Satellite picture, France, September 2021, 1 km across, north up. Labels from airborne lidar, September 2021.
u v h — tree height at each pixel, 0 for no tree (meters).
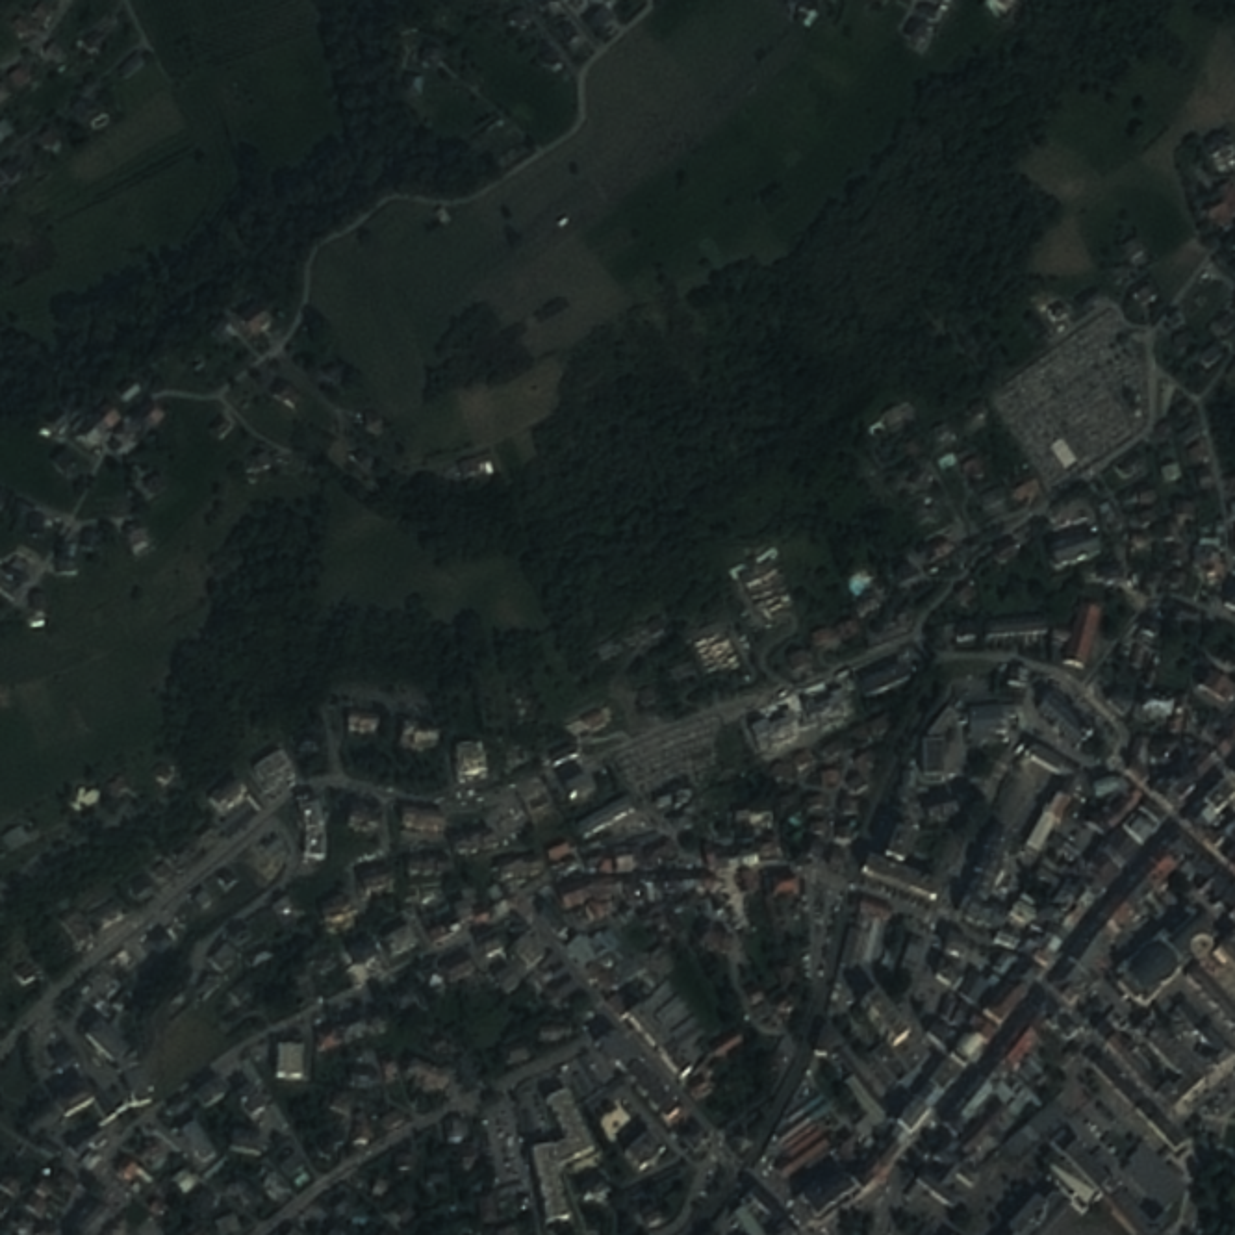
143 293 27
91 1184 15
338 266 0
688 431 14
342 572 0
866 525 10
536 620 0
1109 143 0
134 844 15
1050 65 17
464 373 7
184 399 0
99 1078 0
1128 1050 0
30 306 0
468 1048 7
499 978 0
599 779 8
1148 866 0
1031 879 14
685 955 8
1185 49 15
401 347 0
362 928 9
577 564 8
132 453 7
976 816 30
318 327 17
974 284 16
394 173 7
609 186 0
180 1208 11
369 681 15
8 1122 0
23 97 0
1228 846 0
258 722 13
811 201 0
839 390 20
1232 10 24
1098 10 17
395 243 0
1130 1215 0
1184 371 10
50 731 0
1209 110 0
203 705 29
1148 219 0
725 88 0
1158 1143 0
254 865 0
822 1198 0
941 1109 0
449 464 0
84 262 0
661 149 0
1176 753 0
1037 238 18
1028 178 9
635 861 0
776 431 15
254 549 18
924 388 19
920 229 12
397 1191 9
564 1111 0
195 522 0
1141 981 0
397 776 15
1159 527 9
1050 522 8
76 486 6
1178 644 12
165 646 0
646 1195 11
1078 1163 0
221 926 0
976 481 10
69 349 22
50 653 0
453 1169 7
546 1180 0
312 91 0
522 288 0
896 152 11
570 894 0
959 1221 17
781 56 0
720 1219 0
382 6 26
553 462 10
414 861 0
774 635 0
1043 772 0
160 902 0
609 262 0
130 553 0
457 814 0
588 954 0
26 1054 9
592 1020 0
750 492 14
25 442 0
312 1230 11
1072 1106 0
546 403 0
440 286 0
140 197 0
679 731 0
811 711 0
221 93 0
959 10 0
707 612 15
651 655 9
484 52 0
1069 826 0
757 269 12
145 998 8
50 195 0
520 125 0
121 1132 0
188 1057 0
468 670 16
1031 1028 0
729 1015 9
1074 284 0
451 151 15
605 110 0
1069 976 0
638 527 15
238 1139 0
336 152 20
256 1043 0
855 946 0
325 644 20
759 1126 9
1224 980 0
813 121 0
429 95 0
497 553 15
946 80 12
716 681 7
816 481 10
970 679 0
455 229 0
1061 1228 0
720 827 7
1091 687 0
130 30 9
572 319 0
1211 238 11
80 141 14
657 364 6
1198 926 0
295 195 32
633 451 13
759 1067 14
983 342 20
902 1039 0
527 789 0
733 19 0
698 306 8
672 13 0
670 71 0
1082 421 0
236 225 18
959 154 13
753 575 0
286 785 0
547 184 0
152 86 0
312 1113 9
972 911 0
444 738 13
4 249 6
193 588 0
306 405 0
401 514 7
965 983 0
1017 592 12
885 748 7
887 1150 0
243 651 25
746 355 14
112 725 0
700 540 7
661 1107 0
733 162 0
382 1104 6
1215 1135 6
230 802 0
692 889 0
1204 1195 16
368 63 26
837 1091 10
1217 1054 0
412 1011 15
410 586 0
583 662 11
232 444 0
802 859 11
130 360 23
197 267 19
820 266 11
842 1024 8
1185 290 0
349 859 0
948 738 9
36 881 20
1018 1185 7
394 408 0
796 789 7
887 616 9
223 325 0
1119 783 0
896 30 0
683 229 0
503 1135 0
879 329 12
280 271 13
